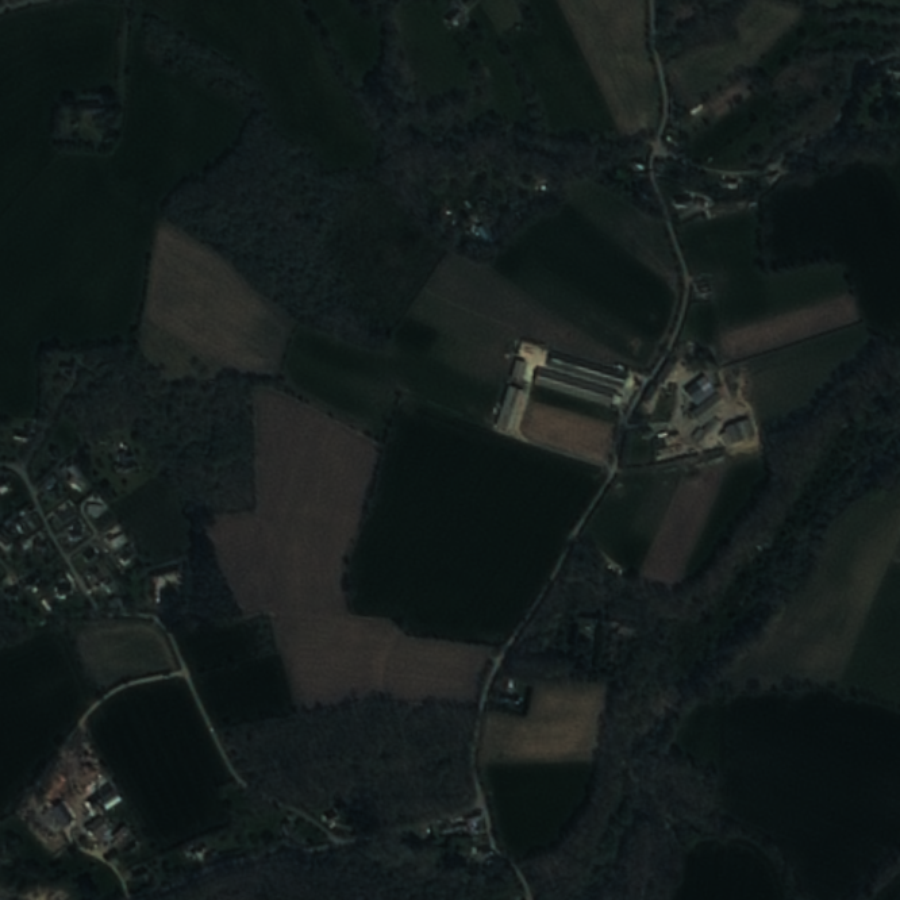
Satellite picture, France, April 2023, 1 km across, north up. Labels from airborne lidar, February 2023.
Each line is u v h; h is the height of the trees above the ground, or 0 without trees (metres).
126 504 0
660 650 15
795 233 0
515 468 0
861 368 14
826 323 0
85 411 12
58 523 0
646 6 0
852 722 0
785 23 0
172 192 8
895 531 0
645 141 12
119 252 0
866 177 0
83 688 0
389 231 0
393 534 0
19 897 0
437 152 18
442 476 0
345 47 0
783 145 8
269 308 0
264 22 0
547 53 0
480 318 0
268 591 0
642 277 0
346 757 12
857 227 0
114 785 10
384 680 0
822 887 0
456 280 0
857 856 0
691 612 18
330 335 26
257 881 22
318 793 9
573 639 11
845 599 0
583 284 0
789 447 22
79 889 14
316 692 0
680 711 16
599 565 14
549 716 0
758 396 0
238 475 13
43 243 0
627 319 0
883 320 0
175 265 0
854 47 11
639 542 0
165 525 0
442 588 0
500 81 0
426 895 10
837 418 19
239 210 9
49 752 0
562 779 0
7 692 0
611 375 0
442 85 0
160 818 0
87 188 0
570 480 0
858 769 0
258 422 0
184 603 9
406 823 11
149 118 0
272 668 0
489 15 0
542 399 0
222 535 0
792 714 0
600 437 0
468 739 16
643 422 9
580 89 0
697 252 0
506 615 0
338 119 0
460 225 9
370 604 0
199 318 0
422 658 0
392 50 13
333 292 8
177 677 0
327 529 0
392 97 15
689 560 0
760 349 0
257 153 13
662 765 18
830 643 0
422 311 0
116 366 8
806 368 0
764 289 0
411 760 10
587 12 0
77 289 0
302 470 0
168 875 9
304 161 8
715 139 0
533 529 0
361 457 0
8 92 0
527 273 0
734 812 0
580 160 24
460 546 0
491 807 9
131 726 0
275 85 0
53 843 0
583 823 20
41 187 0
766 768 0
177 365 0
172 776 0
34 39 0
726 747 0
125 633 0
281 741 13
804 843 0
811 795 0
